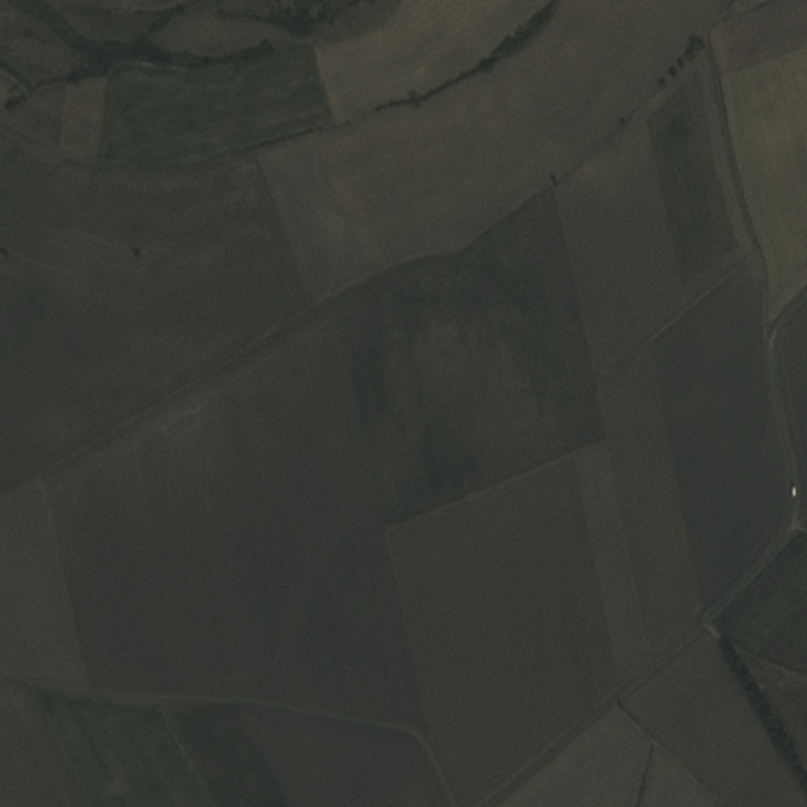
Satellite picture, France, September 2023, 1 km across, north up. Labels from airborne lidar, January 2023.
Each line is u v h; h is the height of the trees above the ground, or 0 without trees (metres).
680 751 0
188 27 0
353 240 0
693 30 0
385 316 0
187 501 0
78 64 0
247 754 0
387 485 0
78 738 0
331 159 0
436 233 0
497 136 0
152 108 0
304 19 9
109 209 0
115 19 0
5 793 0
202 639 0
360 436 0
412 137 0
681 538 0
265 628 0
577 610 0
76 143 0
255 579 0
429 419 0
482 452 0
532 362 0
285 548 0
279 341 0
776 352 0
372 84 0
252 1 0
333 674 0
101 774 0
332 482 0
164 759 0
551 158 0
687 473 0
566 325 0
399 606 0
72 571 0
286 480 0
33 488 0
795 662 0
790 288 0
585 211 0
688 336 0
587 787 0
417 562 0
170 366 0
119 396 0
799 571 0
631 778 0
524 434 0
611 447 0
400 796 0
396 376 0
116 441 0
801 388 0
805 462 0
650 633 0
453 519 0
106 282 0
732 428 0
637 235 0
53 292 0
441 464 0
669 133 0
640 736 0
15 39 0
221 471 0
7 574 0
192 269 0
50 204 0
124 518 0
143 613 0
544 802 0
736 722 0
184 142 0
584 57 0
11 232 0
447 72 0
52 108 0
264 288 0
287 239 0
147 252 0
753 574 0
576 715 0
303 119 0
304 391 0
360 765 0
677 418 0
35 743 0
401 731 0
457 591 0
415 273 0
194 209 0
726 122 0
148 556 0
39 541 0
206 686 0
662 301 0
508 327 0
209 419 0
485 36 0
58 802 0
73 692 0
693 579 0
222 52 0
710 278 0
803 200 0
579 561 0
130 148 0
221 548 0
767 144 0
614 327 0
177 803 0
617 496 0
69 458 0
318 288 0
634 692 0
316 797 0
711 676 0
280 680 0
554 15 0
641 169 0
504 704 0
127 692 0
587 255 0
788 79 0
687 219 0
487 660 0
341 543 0
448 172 0
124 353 0
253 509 0
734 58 0
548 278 0
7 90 0
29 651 0
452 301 0
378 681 0
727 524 0
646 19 0
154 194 0
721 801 0
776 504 0
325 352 0
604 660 0
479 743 0
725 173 0
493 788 0
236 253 0
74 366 0
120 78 0
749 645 0
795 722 0
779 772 0
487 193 0
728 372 0
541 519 0
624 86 0
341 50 0
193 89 0
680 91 0
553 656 0
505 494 0
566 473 0
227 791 0
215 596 0
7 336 0
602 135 0
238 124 0
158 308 0
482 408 0
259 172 0
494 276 0
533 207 0
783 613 0
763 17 0
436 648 0
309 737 0
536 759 0
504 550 0
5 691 0
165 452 0
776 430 0
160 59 6
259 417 0
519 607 0
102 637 0
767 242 0
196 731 0
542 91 0
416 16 0
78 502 0
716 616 0
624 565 0
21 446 0
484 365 0
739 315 0
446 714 0
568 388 0
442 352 0
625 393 0
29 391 0
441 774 0
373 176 0
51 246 0
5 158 0
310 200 0
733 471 0
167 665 0
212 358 0
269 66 0
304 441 0
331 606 0
